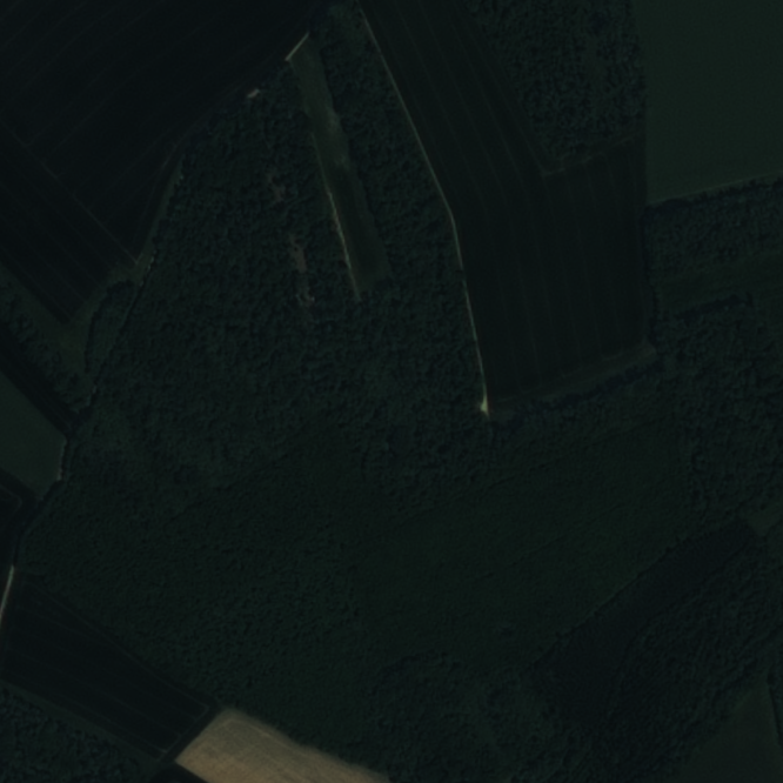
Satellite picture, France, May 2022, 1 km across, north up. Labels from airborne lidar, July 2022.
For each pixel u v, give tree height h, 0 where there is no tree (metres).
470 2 21
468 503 11
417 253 29
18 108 0
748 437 30
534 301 0
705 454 25
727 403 27
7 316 19
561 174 0
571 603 12
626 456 12
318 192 26
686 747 19
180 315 13
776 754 0
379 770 17
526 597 9
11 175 0
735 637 18
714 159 0
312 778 0
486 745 21
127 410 26
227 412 27
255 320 29
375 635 10
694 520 11
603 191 0
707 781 0
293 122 23
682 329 25
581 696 20
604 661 16
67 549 17
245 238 24
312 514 17
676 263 21
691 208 25
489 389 0
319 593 16
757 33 0
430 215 24
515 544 9
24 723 19
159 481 19
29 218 0
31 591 0
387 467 22
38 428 0
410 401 27
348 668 15
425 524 11
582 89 11
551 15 9
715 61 0
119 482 25
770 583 18
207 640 17
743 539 17
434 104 0
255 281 20
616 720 22
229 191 20
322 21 25
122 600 16
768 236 32
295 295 12
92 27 0
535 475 10
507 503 7
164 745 0
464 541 11
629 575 6
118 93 0
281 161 18
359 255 0
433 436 26
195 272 25
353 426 18
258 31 0
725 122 0
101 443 23
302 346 24
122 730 0
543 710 18
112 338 19
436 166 0
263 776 0
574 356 0
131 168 0
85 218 0
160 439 27
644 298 0
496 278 0
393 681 26
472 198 0
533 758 10
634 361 0
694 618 18
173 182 0
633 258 0
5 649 0
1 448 0
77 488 13
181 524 16
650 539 11
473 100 0
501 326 0
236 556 16
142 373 23
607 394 27
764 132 0
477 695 22
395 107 10
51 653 0
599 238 0
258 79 0
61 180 0
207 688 15
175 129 0
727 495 29
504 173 0
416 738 18
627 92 7
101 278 0
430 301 25
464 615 12
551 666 18
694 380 21
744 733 0
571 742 28
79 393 22
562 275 0
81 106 0
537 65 12
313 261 19
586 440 13
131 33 0
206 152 25
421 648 11
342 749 18
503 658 13
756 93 0
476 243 0
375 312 25
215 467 24
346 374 24
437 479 17
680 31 0
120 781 28
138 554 17
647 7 0
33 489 0
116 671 0
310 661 14
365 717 17
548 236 0
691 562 18
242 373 24
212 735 0
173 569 17
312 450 13
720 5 0
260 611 15
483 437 14
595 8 28
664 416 11
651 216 24
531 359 0
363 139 25
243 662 14
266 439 22
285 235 20
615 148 0
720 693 18
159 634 16
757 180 0
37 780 28
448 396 23
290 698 16
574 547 9
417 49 0
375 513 12
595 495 10
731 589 14
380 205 25
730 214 32
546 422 31
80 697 0
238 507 19
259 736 0
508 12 27
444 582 10
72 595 19
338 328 24
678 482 10
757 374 30
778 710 19
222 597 15
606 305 0
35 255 0
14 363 0
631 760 19
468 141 0
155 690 0
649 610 14
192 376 25
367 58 22
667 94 0
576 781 11
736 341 27
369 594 11
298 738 15
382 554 9
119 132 0
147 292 17
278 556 16
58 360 19
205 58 0
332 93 15
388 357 22
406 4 0
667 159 0
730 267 23
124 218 0
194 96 0
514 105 0
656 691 18
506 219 0
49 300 0
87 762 29
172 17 0
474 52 0
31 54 0
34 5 0
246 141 27
